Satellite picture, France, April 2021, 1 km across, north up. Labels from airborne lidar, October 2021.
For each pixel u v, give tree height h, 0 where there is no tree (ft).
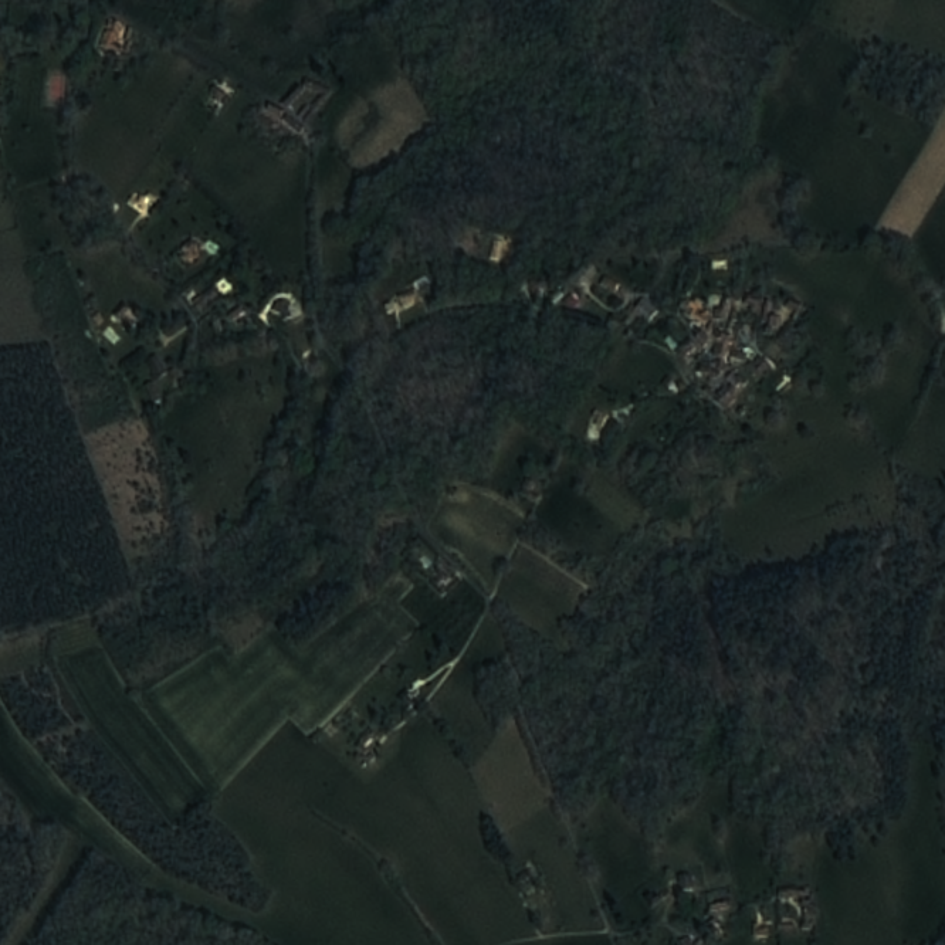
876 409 0
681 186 72
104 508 25
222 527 51
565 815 42
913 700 76
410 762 0
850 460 0
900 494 35
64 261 22
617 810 52
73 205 65
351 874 0
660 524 44
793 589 66
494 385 52
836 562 45
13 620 33
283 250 0
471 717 0
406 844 0
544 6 67
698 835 0
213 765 0
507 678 71
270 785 0
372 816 0
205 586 52
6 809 54
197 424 0
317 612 69
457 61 78
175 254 25
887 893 0
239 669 0
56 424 31
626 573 30
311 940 0
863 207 0
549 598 0
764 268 20
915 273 67
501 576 52
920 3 0
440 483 72
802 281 0
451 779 0
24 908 46
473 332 35
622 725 47
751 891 0
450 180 67
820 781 76
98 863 56
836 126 0
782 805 67
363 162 0
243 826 0
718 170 71
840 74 0
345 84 58
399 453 54
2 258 0
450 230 65
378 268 78
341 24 0
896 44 20
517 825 0
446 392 67
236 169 0
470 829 0
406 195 73
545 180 65
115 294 0
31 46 39
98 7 30
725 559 60
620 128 73
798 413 0
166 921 62
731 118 69
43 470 27
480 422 67
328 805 0
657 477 29
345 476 63
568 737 49
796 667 49
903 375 0
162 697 0
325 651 0
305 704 0
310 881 0
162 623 35
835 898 0
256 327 21
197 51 0
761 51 41
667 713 54
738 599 69
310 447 32
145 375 0
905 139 0
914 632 80
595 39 62
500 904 0
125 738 0
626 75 67
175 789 0
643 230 66
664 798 76
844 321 0
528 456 21
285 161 0
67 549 30
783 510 0
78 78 66
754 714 72
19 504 37
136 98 0
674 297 19
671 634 79
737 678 78
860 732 51
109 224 68
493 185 67
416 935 0
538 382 56
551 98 52
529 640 60
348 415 57
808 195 46
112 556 31
